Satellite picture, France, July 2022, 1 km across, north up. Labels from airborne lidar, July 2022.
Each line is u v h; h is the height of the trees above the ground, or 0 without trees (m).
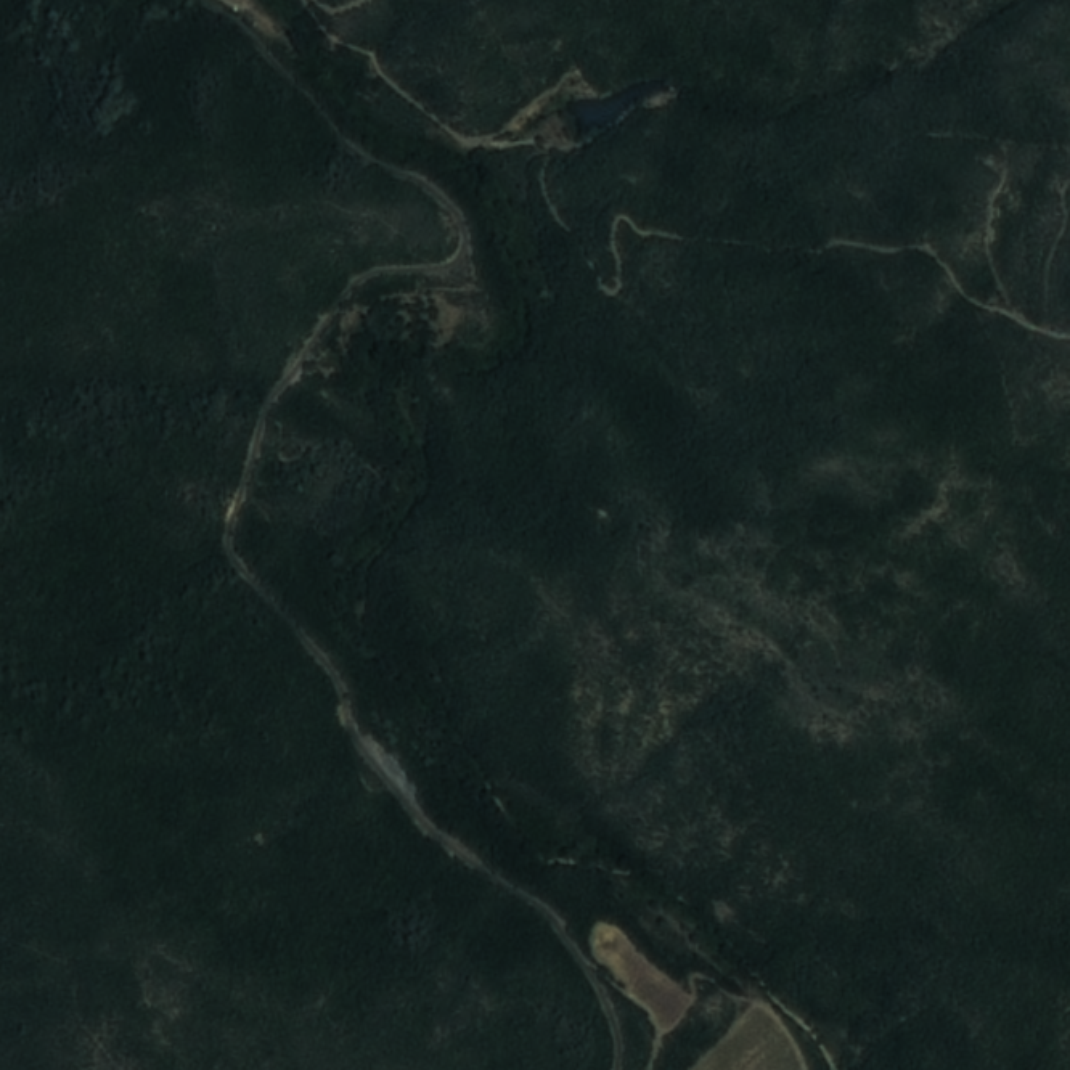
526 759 9
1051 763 9
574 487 8
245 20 8
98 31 13
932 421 7
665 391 8
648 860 6
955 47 6
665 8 7
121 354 7
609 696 7
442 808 13
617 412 9
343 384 9
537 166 7
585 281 8
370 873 13
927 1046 7
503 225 5
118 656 10
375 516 7
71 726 6
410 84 6
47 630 14
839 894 6
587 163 7
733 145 7
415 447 8
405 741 8
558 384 6
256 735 6
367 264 10
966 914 7
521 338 9
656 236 6
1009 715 8
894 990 11
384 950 10
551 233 8
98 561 9
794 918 12
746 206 7
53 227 7
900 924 8
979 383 5
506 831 18
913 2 6
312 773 9
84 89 18
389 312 7
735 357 7
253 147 8
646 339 7
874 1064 8
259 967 9
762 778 9
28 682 6
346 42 6
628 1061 6
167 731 7
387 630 10
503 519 11
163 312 7
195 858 5
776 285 8
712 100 8
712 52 7
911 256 7
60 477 8
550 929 9
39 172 13
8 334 6
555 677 6
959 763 6
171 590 12
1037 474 7
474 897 7
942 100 6
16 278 7
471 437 9
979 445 6
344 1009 6
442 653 10
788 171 6
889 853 8
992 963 6
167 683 9
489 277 7
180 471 6
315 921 8
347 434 7
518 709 7
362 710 7
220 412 14
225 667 7
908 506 7
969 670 6
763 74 11
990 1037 8
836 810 7
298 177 7
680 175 11
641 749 5
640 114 6
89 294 6
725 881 7
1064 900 8
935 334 8
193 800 7
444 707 6
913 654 7
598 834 9
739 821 6
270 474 8
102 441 6
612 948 0
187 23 13
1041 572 6
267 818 8
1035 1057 8
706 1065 0
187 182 7
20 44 11
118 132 9
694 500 8
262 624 19
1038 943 9
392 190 7
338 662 9
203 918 7
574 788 6
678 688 7
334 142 14
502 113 6
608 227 6
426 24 6
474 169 14
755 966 7
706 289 7
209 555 10
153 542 6
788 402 9
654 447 9
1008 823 6
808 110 8
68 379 11
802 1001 7
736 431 6
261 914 7
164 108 10
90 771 6
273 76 8
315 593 10
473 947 10
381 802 11
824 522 9
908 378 7
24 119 9
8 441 14
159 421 8
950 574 8
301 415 10
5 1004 7
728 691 7
